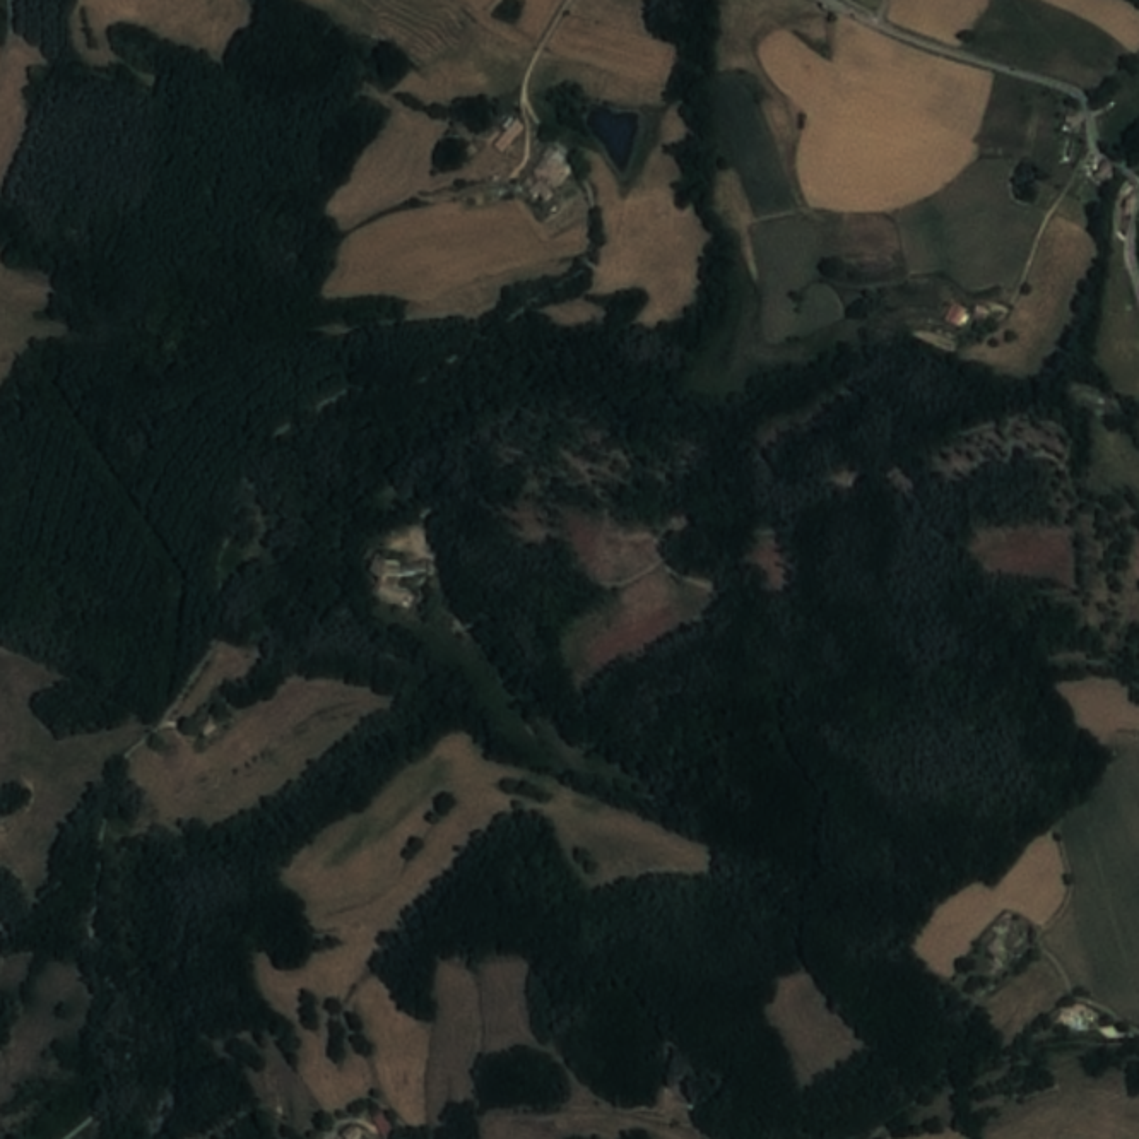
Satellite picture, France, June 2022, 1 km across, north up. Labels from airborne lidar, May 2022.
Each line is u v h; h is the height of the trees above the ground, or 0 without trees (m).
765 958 20
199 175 12
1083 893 0
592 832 0
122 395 19
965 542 23
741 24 0
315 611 21
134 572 17
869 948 14
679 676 16
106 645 11
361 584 21
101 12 0
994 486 22
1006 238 0
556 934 19
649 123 0
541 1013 9
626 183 0
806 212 0
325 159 16
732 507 21
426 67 0
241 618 21
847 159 0
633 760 23
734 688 20
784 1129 16
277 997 0
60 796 0
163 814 0
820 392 21
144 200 11
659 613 0
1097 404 0
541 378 21
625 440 20
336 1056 15
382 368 17
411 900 0
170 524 19
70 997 0
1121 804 0
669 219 0
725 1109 16
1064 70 0
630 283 0
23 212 14
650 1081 5
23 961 0
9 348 0
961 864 11
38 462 20
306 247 18
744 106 0
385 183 0
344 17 0
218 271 17
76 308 12
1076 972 0
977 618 25
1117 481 0
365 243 0
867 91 0
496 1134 0
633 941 13
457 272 0
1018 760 16
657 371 15
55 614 17
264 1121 18
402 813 0
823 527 19
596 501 19
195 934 17
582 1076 7
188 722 16
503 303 11
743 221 0
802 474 23
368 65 6
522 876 18
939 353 8
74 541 16
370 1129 0
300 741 0
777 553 0
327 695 0
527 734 0
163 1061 20
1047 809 14
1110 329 0
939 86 0
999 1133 0
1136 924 0
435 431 20
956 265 0
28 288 0
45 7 16
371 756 21
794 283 0
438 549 17
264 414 26
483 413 20
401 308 9
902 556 22
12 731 0
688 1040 16
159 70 14
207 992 18
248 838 20
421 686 21
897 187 0
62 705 16
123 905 8
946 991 12
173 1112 10
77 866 23
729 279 19
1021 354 0
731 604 23
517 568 22
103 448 14
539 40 0
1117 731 0
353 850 0
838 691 20
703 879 19
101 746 0
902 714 19
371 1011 0
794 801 7
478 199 0
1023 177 15
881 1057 16
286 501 21
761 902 20
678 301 0
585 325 7
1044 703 18
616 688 21
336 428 18
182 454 19
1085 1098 0
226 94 6
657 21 18
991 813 17
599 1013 8
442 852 0
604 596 29
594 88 0
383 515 12
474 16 0
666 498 23
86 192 16
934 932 0
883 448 19
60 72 12
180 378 17
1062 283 0
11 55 0
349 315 10
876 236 0
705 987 17
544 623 22
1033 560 0
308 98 16
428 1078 0
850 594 18
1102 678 12
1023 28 0
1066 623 19
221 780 0
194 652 15
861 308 14
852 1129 7
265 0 21
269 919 21
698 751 18
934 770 20
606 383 19
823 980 17
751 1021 17
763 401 19
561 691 24
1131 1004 0
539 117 0
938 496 24
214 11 0
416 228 0
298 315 10
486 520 24
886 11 0
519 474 18
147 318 10
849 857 19
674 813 20
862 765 18
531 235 0
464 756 0
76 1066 11
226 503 16
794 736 20
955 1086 15
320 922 0
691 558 21
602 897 17
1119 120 0
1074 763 15
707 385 0
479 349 15
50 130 14
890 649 18
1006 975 7
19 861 0
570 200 0
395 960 16
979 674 24
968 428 22
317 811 23
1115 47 0
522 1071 7
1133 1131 0
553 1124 0
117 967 20
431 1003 15
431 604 15
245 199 16
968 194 0
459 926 20
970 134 0
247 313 20
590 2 0
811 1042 0
